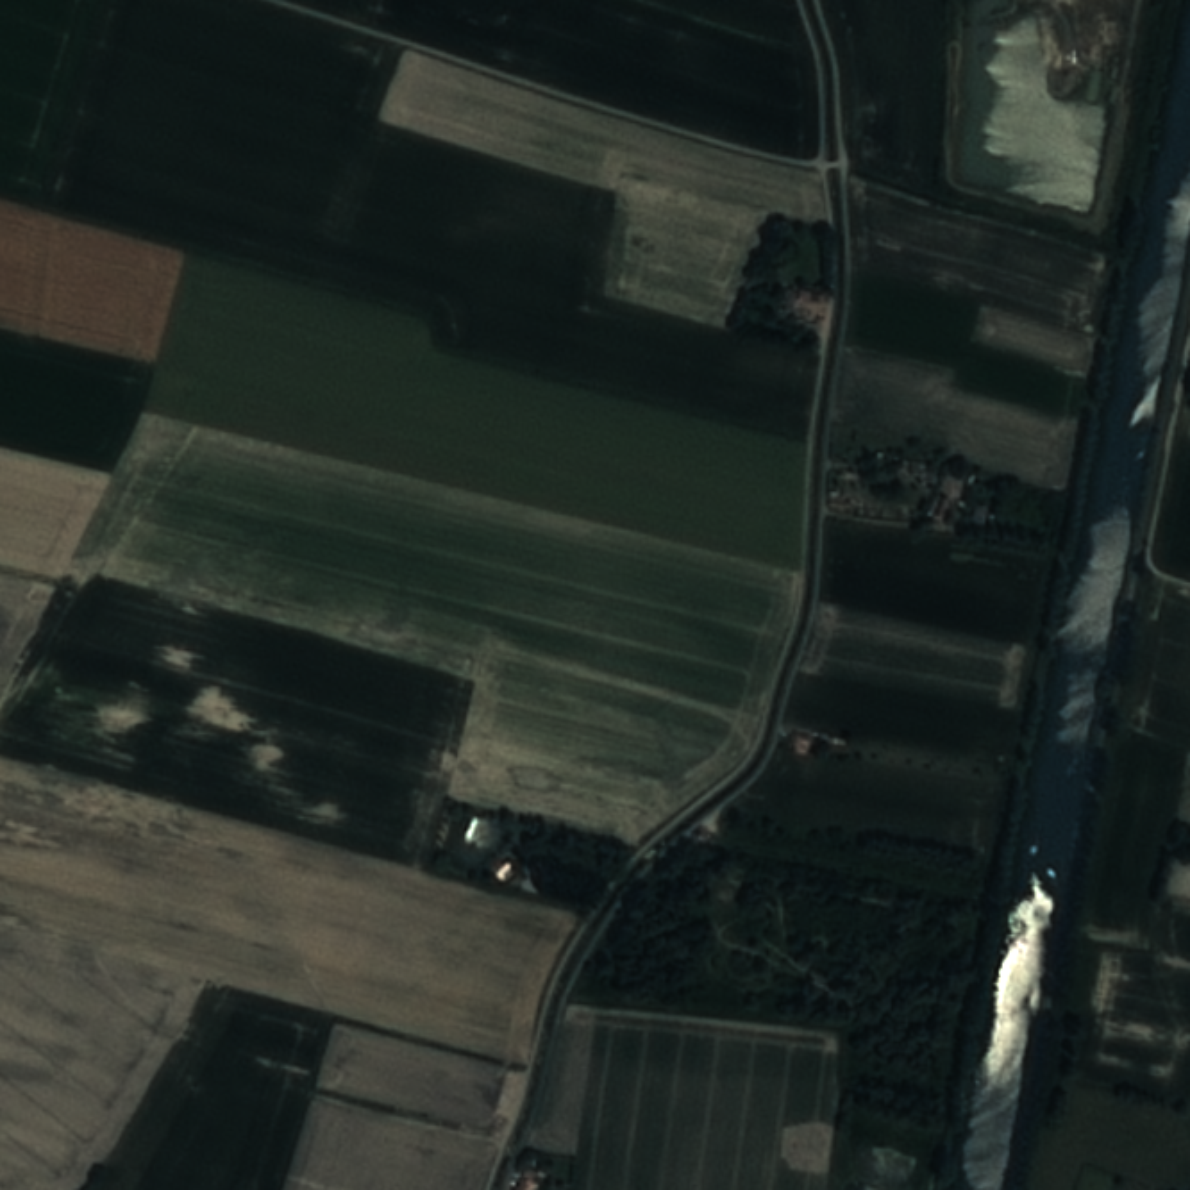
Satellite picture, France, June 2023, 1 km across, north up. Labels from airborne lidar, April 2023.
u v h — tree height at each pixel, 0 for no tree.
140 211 0
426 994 0
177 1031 0
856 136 0
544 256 0
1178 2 0
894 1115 14
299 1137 0
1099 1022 0
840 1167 0
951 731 0
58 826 0
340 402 0
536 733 0
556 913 0
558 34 0
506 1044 0
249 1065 0
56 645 0
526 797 0
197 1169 0
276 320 0
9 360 0
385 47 0
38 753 0
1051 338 0
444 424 0
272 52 0
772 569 0
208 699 0
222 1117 0
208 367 0
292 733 0
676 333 0
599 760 0
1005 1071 0
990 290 0
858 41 0
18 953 0
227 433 0
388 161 0
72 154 0
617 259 0
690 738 0
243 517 0
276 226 0
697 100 0
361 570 0
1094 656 0
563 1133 0
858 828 0
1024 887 0
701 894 19
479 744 0
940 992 15
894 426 0
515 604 0
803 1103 0
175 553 0
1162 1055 0
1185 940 0
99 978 0
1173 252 0
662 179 0
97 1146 0
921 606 0
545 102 0
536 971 0
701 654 0
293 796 0
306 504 0
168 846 0
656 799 0
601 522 0
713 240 0
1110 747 0
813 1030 0
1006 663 0
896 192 0
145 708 0
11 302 0
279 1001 0
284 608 0
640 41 0
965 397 0
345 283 0
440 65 0
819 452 0
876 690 0
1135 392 0
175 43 0
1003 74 0
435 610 0
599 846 17
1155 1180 0
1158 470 0
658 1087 0
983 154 0
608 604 0
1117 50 0
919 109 0
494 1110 0
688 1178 0
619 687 0
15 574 0
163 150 0
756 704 0
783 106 0
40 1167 0
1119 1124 0
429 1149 0
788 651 0
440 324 0
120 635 0
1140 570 20
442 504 0
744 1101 0
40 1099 0
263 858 0
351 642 0
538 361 0
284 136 0
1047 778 0
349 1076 0
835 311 0
